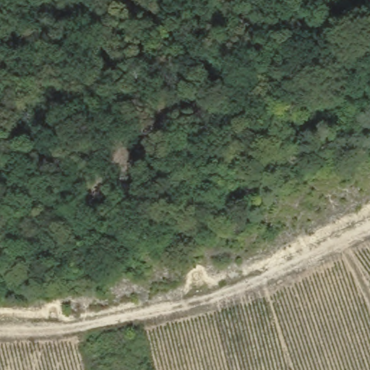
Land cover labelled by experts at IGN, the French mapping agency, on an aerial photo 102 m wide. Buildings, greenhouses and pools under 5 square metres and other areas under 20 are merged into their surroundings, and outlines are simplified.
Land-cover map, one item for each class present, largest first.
<instances>
[{"label":"deciduous trees","instance_id":"1","mask_svg":"<svg viewBox=\"0 0 370 370\"><path fill-rule=\"evenodd\" d=\"M364 111H370V0H0V308H42L46 302L59 299L69 295H97L103 299L111 286L119 285L121 277H129L137 283L145 279V273L153 269L155 263L173 267L176 264L189 263L194 259V250L198 247L214 249L221 241L233 237L244 224H250L251 228L259 225L264 212L272 214L279 199L292 198V195L299 192V186L308 184L311 179L334 181L340 176L335 173V168L348 152L356 150V146L351 145V136L354 132H361L364 129L357 120L358 116Z\"/></svg>","mask_w":370,"mask_h":370},{"label":"vineyard","instance_id":"2","mask_svg":"<svg viewBox=\"0 0 370 370\"><path fill-rule=\"evenodd\" d=\"M145 327L155 370H370V234L340 251L325 254L317 263L306 264L301 269L273 277L250 291L231 296L230 302L220 301L210 305L192 302L186 311L139 319ZM87 331L35 337H0V370H84L78 344L85 340Z\"/></svg>","mask_w":370,"mask_h":370},{"label":"brushwood","instance_id":"3","mask_svg":"<svg viewBox=\"0 0 370 370\"><path fill-rule=\"evenodd\" d=\"M370 204V159L357 163L353 176H340L334 181L311 179L308 184L299 186V192L292 195V198L279 199L272 214L264 212L259 225L251 228L250 224H244L233 237L221 241L214 249L198 247L194 250V259L189 263L176 264L173 267L155 263L153 269L145 273V279L137 283L129 277H121L119 285L111 286L103 299L97 295H69L59 299L62 312L72 317H79L82 312L101 311L127 302H133L137 309L152 305V299L159 293H166L184 285L186 273L197 264L205 267L214 264L218 272H221L228 264H241L267 259L277 250L291 246L296 238L312 236L317 228L335 223L344 215L356 214L364 205ZM85 340L78 344L84 370H155L145 327L139 319L91 328L87 331Z\"/></svg>","mask_w":370,"mask_h":370},{"label":"pervious surface","instance_id":"4","mask_svg":"<svg viewBox=\"0 0 370 370\"><path fill-rule=\"evenodd\" d=\"M370 234V204L364 205L356 214L344 215L335 223L317 228L312 236L296 238L291 246L277 250L267 259L241 264L243 275L253 270H260L262 275L243 280L233 286H225L220 291L207 295L152 305L137 309L126 314L79 321L75 324L46 322L0 325V337H35L87 331L91 328L139 319L186 311L192 302L210 305L220 301L230 302L231 296L250 291L273 277L301 269L306 264L317 263L325 254L340 251Z\"/></svg>","mask_w":370,"mask_h":370},{"label":"herbaceous vegetation","instance_id":"5","mask_svg":"<svg viewBox=\"0 0 370 370\"><path fill-rule=\"evenodd\" d=\"M262 275L260 270H253L243 275L241 264H228L221 272H218L214 264L205 267L197 264L186 273L184 285L166 293H159L152 299V305L207 295L220 291L225 286H233L243 280ZM137 309L133 302H127L101 311L82 312L79 317H72L62 312L59 299L46 302L42 308H0V325L46 322L75 324L79 321L126 314Z\"/></svg>","mask_w":370,"mask_h":370},{"label":"coniferous trees","instance_id":"6","mask_svg":"<svg viewBox=\"0 0 370 370\"><path fill-rule=\"evenodd\" d=\"M357 120L364 129L361 132H354L351 136V145L356 146V150L348 152L335 168V173L340 176H353L357 163L370 159V111H364L358 116Z\"/></svg>","mask_w":370,"mask_h":370}]
</instances>
